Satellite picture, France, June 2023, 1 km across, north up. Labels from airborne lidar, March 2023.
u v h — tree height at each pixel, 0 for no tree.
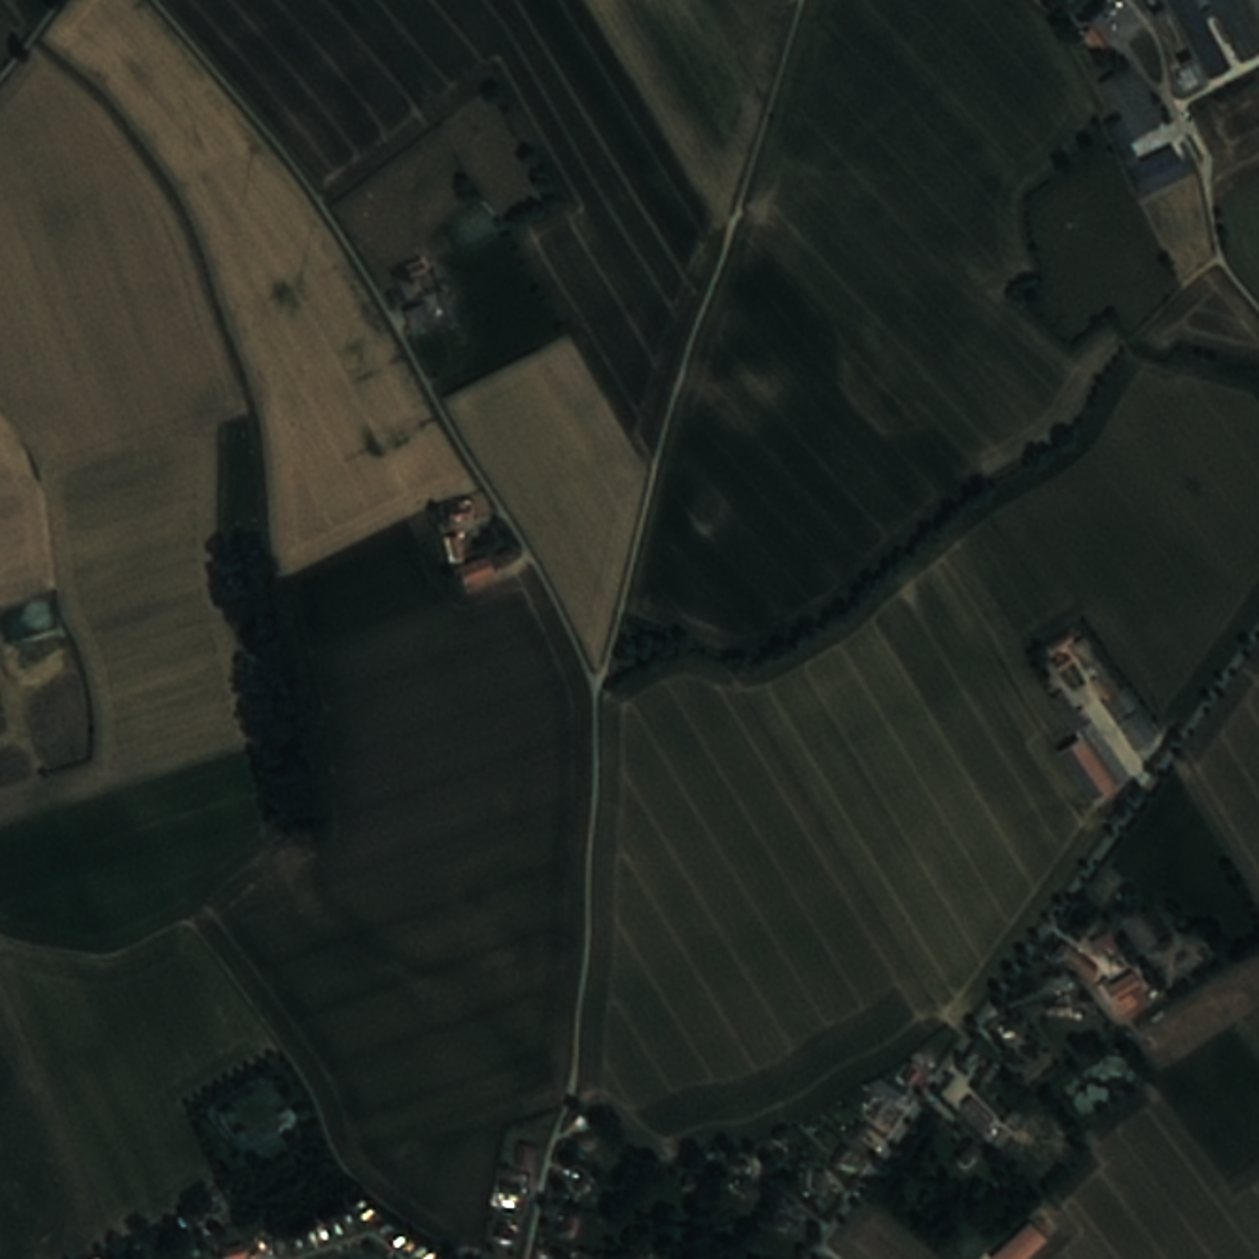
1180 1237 0
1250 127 0
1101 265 0
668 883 0
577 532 0
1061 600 0
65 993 0
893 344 0
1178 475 0
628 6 0
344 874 0
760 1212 8
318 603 0
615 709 0
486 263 0
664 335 0
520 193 0
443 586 0
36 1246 0
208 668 0
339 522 0
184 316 0
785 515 0
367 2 0
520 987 0
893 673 0
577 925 0
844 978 0
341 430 0
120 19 0
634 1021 0
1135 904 12
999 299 0
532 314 0
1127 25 0
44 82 0
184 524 0
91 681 0
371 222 0
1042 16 0
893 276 0
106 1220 0
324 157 0
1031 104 0
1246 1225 0
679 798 0
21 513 0
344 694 0
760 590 0
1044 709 0
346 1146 0
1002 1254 0
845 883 0
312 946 0
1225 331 0
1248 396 0
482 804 0
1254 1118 0
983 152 0
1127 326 0
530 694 0
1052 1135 0
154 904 0
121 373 0
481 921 0
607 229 0
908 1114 0
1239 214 0
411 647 0
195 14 0
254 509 0
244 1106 0
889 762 0
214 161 0
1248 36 0
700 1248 23
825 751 0
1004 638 0
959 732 0
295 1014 0
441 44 0
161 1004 0
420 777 0
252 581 35
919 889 0
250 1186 6
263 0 0
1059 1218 0
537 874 0
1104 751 0
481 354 0
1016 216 0
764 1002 0
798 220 0
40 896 0
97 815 0
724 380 0
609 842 0
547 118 0
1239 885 13
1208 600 0
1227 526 0
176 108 0
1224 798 0
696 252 0
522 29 0
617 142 0
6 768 0
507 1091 0
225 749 0
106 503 0
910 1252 0
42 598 0
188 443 0
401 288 0
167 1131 0
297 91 0
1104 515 0
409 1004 0
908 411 0
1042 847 0
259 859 0
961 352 0
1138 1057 18
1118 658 0
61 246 0
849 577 0
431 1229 0
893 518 0
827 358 0
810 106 0
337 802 0
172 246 0
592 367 0
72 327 0
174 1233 23
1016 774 0
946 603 0
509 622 0
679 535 0
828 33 0
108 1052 0
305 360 0
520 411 0
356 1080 0
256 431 0
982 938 0
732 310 0
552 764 0
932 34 0
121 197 0
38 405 0
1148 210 0
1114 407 0
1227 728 0
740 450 0
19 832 0
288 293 0
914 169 0
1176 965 0
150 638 0
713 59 0
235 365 0
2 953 0
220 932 0
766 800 0
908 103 0
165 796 0
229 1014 0
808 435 0
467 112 0
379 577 0
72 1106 0
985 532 0
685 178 0
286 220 0
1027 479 0
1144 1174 0
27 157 0
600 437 0
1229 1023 0
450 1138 0
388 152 0
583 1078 0
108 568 0
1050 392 0
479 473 0
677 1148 0
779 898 0
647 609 0
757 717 0
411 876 0
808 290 0
